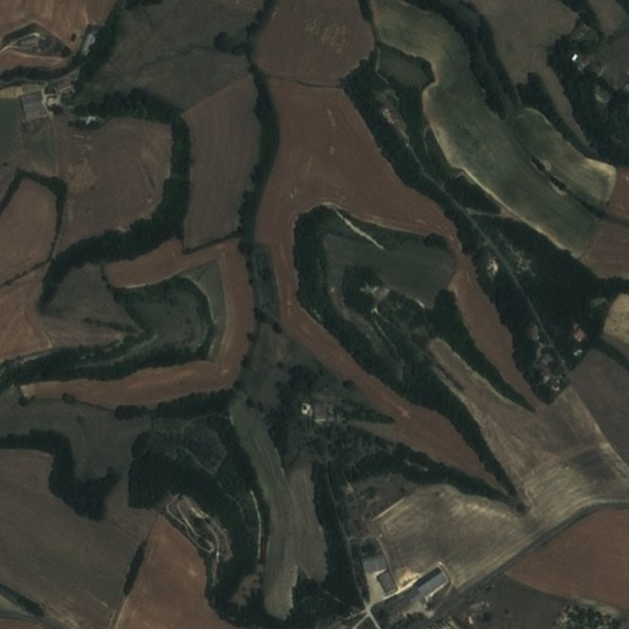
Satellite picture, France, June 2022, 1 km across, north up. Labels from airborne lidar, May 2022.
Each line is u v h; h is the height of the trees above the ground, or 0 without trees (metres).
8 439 10
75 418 0
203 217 0
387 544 0
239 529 6
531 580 0
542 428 0
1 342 0
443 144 0
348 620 6
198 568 0
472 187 7
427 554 0
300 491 0
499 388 10
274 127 0
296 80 0
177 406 14
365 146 0
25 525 0
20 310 0
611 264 0
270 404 0
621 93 13
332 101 0
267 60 0
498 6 0
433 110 0
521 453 0
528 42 0
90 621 0
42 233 0
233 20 0
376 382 0
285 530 0
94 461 0
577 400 0
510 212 0
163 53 0
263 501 10
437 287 0
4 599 0
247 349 0
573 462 0
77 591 0
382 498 0
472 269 0
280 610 0
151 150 0
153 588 0
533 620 0
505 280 9
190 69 0
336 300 0
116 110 16
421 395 13
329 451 8
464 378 0
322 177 0
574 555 0
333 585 19
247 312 0
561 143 0
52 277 12
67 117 0
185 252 7
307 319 0
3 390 11
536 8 0
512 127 0
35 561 0
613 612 0
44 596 0
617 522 0
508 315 19
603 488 0
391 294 7
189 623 0
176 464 13
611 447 0
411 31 0
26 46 0
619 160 18
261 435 0
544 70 0
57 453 10
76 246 11
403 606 0
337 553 11
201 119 0
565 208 0
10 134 0
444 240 15
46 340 0
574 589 0
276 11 0
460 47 0
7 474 0
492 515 0
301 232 15
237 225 0
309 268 14
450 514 0
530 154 0
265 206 0
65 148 0
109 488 10
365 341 12
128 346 7
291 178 0
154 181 0
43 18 0
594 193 0
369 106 14
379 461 11
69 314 0
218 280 0
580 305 16
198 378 0
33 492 0
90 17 0
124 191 0
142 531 0
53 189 17
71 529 0
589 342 14
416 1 12
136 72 0
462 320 15
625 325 0
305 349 0
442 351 0
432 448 0
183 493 11
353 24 0
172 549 0
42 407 0
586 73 11
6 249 0
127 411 18
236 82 0
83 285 0
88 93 0
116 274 0
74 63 13
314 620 8
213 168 0
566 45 14
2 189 0
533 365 9
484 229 6
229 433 19
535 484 0
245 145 0
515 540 0
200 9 0
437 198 12
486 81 13
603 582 0
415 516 0
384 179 0
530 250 10
